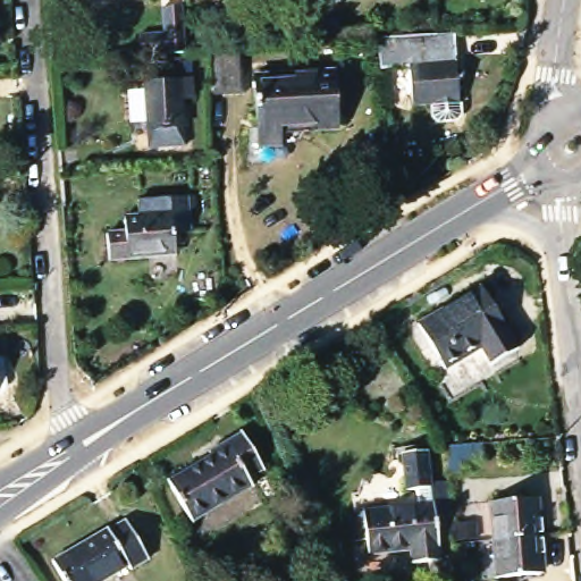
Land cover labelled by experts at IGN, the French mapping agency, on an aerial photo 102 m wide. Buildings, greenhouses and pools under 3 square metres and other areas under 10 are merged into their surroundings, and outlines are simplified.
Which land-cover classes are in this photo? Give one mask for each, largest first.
<instances>
[{"label":"impervious surface","instance_id":"1","mask_svg":"<svg viewBox=\"0 0 581 581\"><path fill-rule=\"evenodd\" d=\"M41 23V0H18L16 25L23 45H27L30 32ZM225 5L220 0H161V25H175V18L184 23V16L188 11L222 9ZM468 52L477 59L481 57V52L488 50H495V54H504L508 48L517 61L515 70L522 75L517 91L513 95V111H520V104L531 86L542 84L549 91V95L545 107L531 118L529 132L524 136H517L520 120H513L508 125L506 138L488 157L472 159L463 166L461 170L445 177L429 193L402 204V209L399 220L393 227L381 229L370 243L359 238L352 245H325L311 256L293 263L277 277H266L263 272H259L254 254L250 252L238 261L243 263L245 272V293L236 302L225 306L218 313L204 318L197 322L179 336H175L172 340H168L161 345L141 361L127 365L125 370L111 374L100 384L93 381L91 374H86L77 361L68 363L64 279L68 277V266H64L61 259L66 229L61 227L59 218L66 211V186L61 170L64 163L77 159V152L73 148L68 150H50L52 111L48 109L50 77L45 64L43 59L34 61V68L27 70L23 77L25 89L14 95L18 98L20 116L11 123L9 143L20 150V159H27L32 163L30 186H48L52 193V211L43 229L39 236V247L45 250L50 259V272L43 281V313L48 315L45 350L48 368L54 370V377L48 381L41 411L32 418L30 422H25L16 429L0 433V581H11L16 572L11 563L2 558L11 554L16 547L14 538L18 536L23 529L43 520L45 515L61 508L66 502L79 495H84L86 499L95 497L98 504L104 502L109 497V479L116 472H120L134 461H141L154 452L172 443L175 438L184 436L193 427L202 424L204 420L227 413V409L234 402L243 397L270 370L279 365L284 356H288V352L315 354L320 347L331 350L336 354L345 343V331L368 320L374 311H381L390 302L402 300L409 293H415L429 279L440 277L449 268L458 266L463 259L472 256L486 243L499 238L520 241L540 256L545 288L551 320L554 370L563 395V409L565 427L558 431V436H554V440H561L565 445V456L556 461L549 474L556 527L563 524V520L567 517L565 502L572 497L576 504V513L581 517V286L576 279L567 275V252L581 236V0H538L536 18H527L524 34H472L465 41ZM397 107L402 111L413 109V73L409 70L397 73ZM129 120L134 123L132 143L136 150H145L148 113L143 89H129L127 93ZM433 123L445 125L447 136L461 132L465 120V107L461 102H431L429 111ZM250 161H263V148L259 145V129H254V132H250ZM470 288L477 304L481 302V293L488 291V295L502 311V318L492 315L488 322L492 325L506 352L490 359L483 350H477L474 354L458 359L445 372V384L449 393L458 397L472 390L477 381L490 379L499 370L517 363L522 356L536 352V338L531 336L536 334V325L531 320L538 318V309L533 304V297L524 295V281L520 279L515 268L504 270L495 263H488L483 268L472 275H465L447 291L429 293L427 300L431 304L445 302L458 291ZM411 329L413 340L424 359L438 368L443 356L431 336L427 334V329L420 325H413ZM404 492H415L422 499L433 497L431 486H413L404 481V463L390 461L386 465L381 474H374L370 481H363L361 490L352 495L354 504L372 499H395ZM563 563L538 570L540 574L533 581H581V524L576 531L561 533V538Z\"/></svg>","mask_w":581,"mask_h":581},{"label":"herbaceous vegetation","instance_id":"2","mask_svg":"<svg viewBox=\"0 0 581 581\"><path fill-rule=\"evenodd\" d=\"M18 0H0V43L5 39V32L11 25H16ZM79 5L91 14L89 20H93L95 30L107 39L111 54L120 61L136 64V54L143 48L157 43L159 52L166 54V66H161V70L157 73L159 77L166 79L168 120L172 127L179 129L184 141H191L195 136V116L204 75L200 61H188L177 54L179 50H186L195 39V34L186 30L184 23L175 18V25H161V0H79ZM472 7H495L508 16L522 14L520 0H447V9L456 14L468 11ZM495 54V50H488L481 52V57L477 59L468 52L465 41H456V59L452 61L463 73L461 102L465 107V120L474 118L497 91L502 73L490 64ZM75 79L84 86L82 93H61L64 102L75 104L77 111H82L77 116V123H66L68 150L73 148L77 152V159L91 157L93 163L100 166L143 159L184 161L202 157V150H136L132 143L134 123L129 120L127 93L120 86L107 82L104 68H98L95 73H77ZM374 91L365 89L352 120L347 125H338V129L322 132L327 145L334 150L345 145L352 159L377 163L379 168L374 172L381 191L390 195V204L402 209V204L429 193L445 177L461 170L463 166L458 159L447 161L445 157L433 154V148L443 145L447 136L445 125L433 123L429 111L413 109L402 111V125H384L379 120L377 125L372 118ZM20 116L18 98L14 95H0V145L9 143L11 123ZM229 148L238 150V170L247 172L250 161V134L241 125L238 134L229 138ZM193 191H200L202 213L197 220V229L191 231L188 245L177 247V268L168 275V279H152L148 259L120 263L107 261L104 238H109V229L116 222L127 220V211L138 207L143 197H175L191 195ZM73 195L86 204V209H79V225L84 227L79 268L86 270V275L82 284L68 277L64 279L68 363L77 361L79 356H93L100 359V363H111L127 352H134L141 340L148 338L159 340L161 345L168 340L159 331H150L145 327L150 315L157 320L159 315H163L168 306L177 304L197 322L204 318L200 315V295L211 293L225 306L236 302L245 293L236 284L213 286L211 277L202 275L213 259L222 256V247L218 241V231L222 229L218 227V209L225 207V184L220 182L216 186L213 177L209 175V168H200V172L102 179L79 177L75 172ZM116 313L134 329L127 343H107L98 350L91 340L75 338L77 329L95 331L104 327ZM483 268L472 256L463 259L458 266L449 268L440 277L429 279L415 293H409L402 300L390 302L381 311H374L368 320L374 327H384L388 350L399 361L397 365V372L404 384L409 379L415 381L422 377L420 363L424 359L413 340L411 329L413 325H420L431 304L427 300L429 293L447 291L465 275H472ZM533 304L538 309V318L531 320L536 325V334L531 336L536 338V352L522 356L517 363L499 370L490 379L477 381L472 390L458 397L449 402V409L456 422L463 429H468L470 443H481L483 454H474L472 458L463 461L456 472L443 468L447 499H436L443 542H438L433 536H427L429 556L438 563V574L449 581H486L483 572L490 563V554L481 542V517L465 513L470 495L463 488L465 479L520 477L524 481L538 472L549 474L556 461L542 454L533 456L531 440L522 431H511V427H536L563 409V395L554 370L551 320L545 288L533 297ZM36 347V336L23 338L18 334L0 331V384L2 379H11L18 386L20 379L36 363V354L32 350ZM315 363L320 370L334 365L336 354L331 350L320 347L315 354ZM261 413L252 409L243 397L234 402L227 409V413L204 420L202 424L193 427L184 436L175 438L172 443L154 452L159 458H168L170 463H184L213 452L227 433L236 431L238 427H245L268 468H277L286 486L279 492L266 495L261 479H256L254 486L256 499L261 502L259 508L243 513L231 527L222 531L204 533V522H191V549L204 551L207 556L218 561L220 554H225L229 547L241 545L243 549H250L252 542L261 545V524L279 513L286 517L297 515L302 511V499H315L322 504L343 486L352 495L361 490L363 481H370L374 474H381L386 465L384 454L388 452V447H395L397 440H402L397 431L390 427L388 420H368L363 409L356 404L345 409L340 420H331L320 431H311L306 443H297L295 452L300 458L288 468L279 456L272 454V436L266 427H261ZM109 497L104 502L98 504L95 497L86 499L84 495H79L66 502L61 508L45 515L43 520L23 529L18 536L27 542L43 538L45 547L41 549V556L48 563L52 558L59 561L68 545L95 531L107 520L129 513L132 524L136 527L148 551L152 554L150 558L132 565L134 581H184V563L179 554L172 545V536L161 531V520L159 515H154L161 508V504L154 502V497L148 492L136 495V488L127 483V479L120 472H116L109 479Z\"/></svg>","mask_w":581,"mask_h":581},{"label":"building","instance_id":"3","mask_svg":"<svg viewBox=\"0 0 581 581\"><path fill-rule=\"evenodd\" d=\"M456 59V41L454 32H413L388 36V43L379 50V68L402 64L409 70L413 73V109L429 111L431 102H461L463 73L452 61ZM216 84L211 86L213 93L227 98L229 93L243 91L238 59L231 54L216 57ZM259 93L263 95V111L256 118V129H259V145L263 148H281L284 127H291V134H306L313 129L322 132L338 129V125H347L352 120L365 89L359 59L336 61L329 57L322 54L313 61L279 59L259 68V75L254 79ZM148 113L145 150H193L191 141H184L179 129L172 127L168 120L166 79L159 77L150 79L143 89ZM200 191H193L191 195L175 197H143L138 207L127 211V220L116 222L109 229V238H104L107 261L120 263L148 259L152 279H168V275L177 268V247L188 245L191 231L197 229V220L202 213ZM492 315L502 318V311L488 295V291L481 293V302L477 304L470 288L458 291L445 302L431 304L420 325L427 329V334L431 336L443 356L438 368L445 372L458 359L474 354L477 350H483L490 359L506 352L492 325L488 322ZM268 468L245 427H238L236 431L227 433L213 452L184 463L179 472H172L168 477V492L191 522H204L207 511L211 506H218L231 495H238L245 486H254L256 479H261ZM474 454H483L481 443H470L452 445L443 456H438L429 445L395 447H388V452L384 454L386 465L390 461L404 463V481L413 486H431L433 497L422 499L415 492H404L395 499H372L354 504V511L361 517L365 549L374 563L381 565L393 554H409L413 563H424L429 565V570L438 567V563L429 556L427 536H433L438 542H443L436 499H447L443 468L456 472L463 461L472 458ZM463 488L470 495L465 513L481 517V542L490 554V563L483 572L486 581H533L540 574L538 570L563 563L561 538H545V531L556 533V527L549 474L538 472L524 481L520 477L465 479ZM152 554L148 551L136 527L132 524L129 513L107 520L95 531L68 545L59 561L52 558L48 563L59 581H134L132 565L150 558Z\"/></svg>","mask_w":581,"mask_h":581},{"label":"brushwood","instance_id":"4","mask_svg":"<svg viewBox=\"0 0 581 581\"><path fill-rule=\"evenodd\" d=\"M404 7H395L390 2L372 5L368 11H363L365 23L343 27L340 36L334 41L331 48L329 57L336 61L359 59L365 89L374 91L372 118L377 125L379 120L384 125H402V111L397 107V73L409 70L402 64L379 68V50L388 43V36L413 32H454L456 41H465L472 34H524L527 18H536L538 0H520L522 14L508 16L495 7H472L468 11L456 14L447 9V0H404ZM34 68V52L27 45H23L16 25H11L5 32V39L0 43V82L23 77L27 70ZM66 39L52 48V59L45 64L50 77L48 109L52 111L50 150H68L66 123H77V116L82 111H77L75 104L64 102L61 93H82L84 86L75 79L77 73L66 66ZM490 64L502 73L497 91L474 118L465 120L461 132L447 136L443 145L433 148V154L445 157L447 161L458 159L463 166L472 159L488 157L506 138L508 125L513 120H520L517 136H524L529 132L531 118L545 107L549 95V91L542 84L531 86L520 104V111H513V95L517 91L522 75L515 70L517 61L508 48L504 54H495ZM216 84V73L204 75L195 116V136L191 141L193 150H202V157L184 161L143 159L100 166L93 163L91 157L77 159L64 163L61 170L66 186V211L59 218L61 227L66 229L61 259L64 266H68V277L82 284L86 275V270L79 268L84 227L79 225V209H86V204L73 195L75 172L79 177L102 179L200 172V168H209V175L213 177L216 186L220 182L225 184V154L216 152L211 145L213 93L211 86ZM218 227L222 229L218 231V241L222 247V256L213 259L202 275L211 277L213 286L236 284L245 293V272L243 263L238 261L234 259L231 250L225 207L218 209ZM43 229L36 227L32 231L30 245H25L16 256L0 250V309L18 304L20 291H30L36 304V315H16L0 322V331L18 334L23 338L36 336V347L32 350L36 354V363L20 379L18 386L16 402L32 418L41 411L48 381L54 377V370L48 368L45 350L48 315L43 313V281L50 272V259L45 250L39 247V236ZM325 245L309 229L302 236H291L281 243H270L268 247L256 250L254 254L259 272H263L266 277H277L293 263L311 256ZM472 256L483 268L488 263H495L504 270L515 268L520 279L524 281V295L533 297L545 288L540 256L520 241L499 238L486 243ZM200 315L204 318L218 313L225 306L211 293L200 295ZM197 322L177 304L168 306L163 315H159L157 320L150 315L145 327L150 331H159L168 340H172L175 336H179ZM134 329L116 313L104 327L95 331L77 329L75 338L91 340L98 350L107 343H127ZM161 345L159 340L148 338L141 340L134 352H127L111 363H100V359L93 356H79L77 361L86 374H91L93 381L100 384L111 374L125 370L127 365L141 361ZM422 377L415 381L409 379L404 384L397 393L399 402L404 406H420L422 436L429 445L438 456H443L452 445L470 443L468 429H463L456 422L449 409V402L458 397L449 393L445 384V372L438 368L424 359L420 363ZM356 404L363 409L368 420H388L390 427L397 431L404 427L402 420L384 406V397H372L368 393V384H356ZM25 422L18 413L14 415L0 409V433L16 429ZM565 427L563 409L536 427H511V431H522L531 440L533 456L542 454L556 461L565 456V445L561 440H554V436H558V431ZM184 463H170L168 458H159L154 452L141 461H134L120 472L127 479V483L136 488V495L148 492L154 497V502L161 504V508L154 515H159L161 520V531L172 536V545L179 554L191 549V522L168 492V477L172 472H179ZM266 495L279 492L286 486L277 468H268L261 479ZM567 517L563 520V524L556 527V533L545 531V538H561V533L576 531L581 524V517L576 513V504L572 497L565 502ZM16 547L30 561L36 581H59L48 563L41 556V549L45 547L43 538L27 542L18 536L14 538Z\"/></svg>","mask_w":581,"mask_h":581},{"label":"deciduous trees","instance_id":"5","mask_svg":"<svg viewBox=\"0 0 581 581\"><path fill-rule=\"evenodd\" d=\"M91 14L79 5V0H41V23L30 32L27 45L34 52V61L43 59L45 64L52 59V48L66 39V66L77 73H95L98 68H104L107 82L120 86L127 93L129 89H143L150 79L159 77L157 73L161 70V66H166V54L159 52L157 43L143 48L136 54V64L120 61L111 54L107 39L95 30L93 20H89ZM225 5L222 9L188 11L184 16V23L186 30L195 34V39L186 50H179L177 54L188 61H200L204 75L216 73V57L231 54L238 59L245 54L254 59L259 54L277 50L281 52L279 59L313 61L322 54L329 57L331 48L313 36V25L322 16V7H331V0H220ZM32 163L27 159H20V150L9 143L0 145V250L16 256L25 245H30L32 231L36 227L43 229L52 211V193L48 186H30ZM379 168L377 163L352 159L345 145L334 150L327 159H320L315 170H311L306 177H300L297 191L293 193L297 216L302 222L309 225V229L325 245H352L359 238L370 243L381 229L393 227L399 220L402 209L390 204V195L381 191L374 172ZM567 275L576 279L581 286V236L567 252ZM395 361L397 365L399 361L388 350L384 327H374L368 320L345 331V343L336 354L334 365L320 370L315 363V354L288 352V356H284L279 365L270 370L243 397L252 409L261 413V427H266L272 436V454L279 456L288 468L300 458L295 452L297 443H306L311 431H320L331 420H340L345 409L356 404V384H368L377 379L384 365ZM261 545L252 542L250 549H243L241 545L229 547L225 554H220L218 561L207 556L204 551L191 549L179 554L184 563V581H449L438 574V567L429 570V565L424 563H413L409 554H393L381 565L374 563L365 549L361 517L354 511V504L352 495L343 486L322 504L315 499H302V511L297 515L286 517L279 513L261 524Z\"/></svg>","mask_w":581,"mask_h":581},{"label":"pervious surface","instance_id":"6","mask_svg":"<svg viewBox=\"0 0 581 581\"><path fill-rule=\"evenodd\" d=\"M390 2L395 7H404V0H331V7H322V16L313 25V36L331 48L334 41L340 36L343 27L365 23L363 11H368L372 5ZM281 52L277 50L259 54L254 59L245 54L238 59L243 91L229 93L227 98L213 93L211 145L216 152L225 154V207L231 250L234 259L238 261L250 252L254 254L256 250L268 247L270 243H281L291 236H302L309 229V225L302 222L297 216L293 193L297 191L300 177H306L311 170H315L320 159H327L334 150L327 145L322 132L313 129L306 134H291V127H284L281 148H263V161H250L247 172L238 170V150L229 148V138L238 134L241 125L250 134V132H254V129H256V118L263 111V95L259 93L254 79L259 75V68L279 59ZM25 89L23 77L0 82V95H14ZM16 315H36V304L30 291H20L18 304L0 309V322ZM404 384L397 372V365L395 361L384 365L377 379L368 384V393L372 397H384V406L402 420L404 427L397 431L402 440H397L395 447L429 445L422 436L420 406H404L399 402L397 393ZM18 386L11 379H2L0 384V409L14 415L18 413L25 422H30L32 418L16 402ZM261 502L256 499L254 486H245L238 495H231L218 506H211L207 511L204 522V533L222 531L231 527L243 513L259 508ZM11 563L16 572L11 581H36L30 561L16 547L11 554L2 558Z\"/></svg>","mask_w":581,"mask_h":581}]
</instances>
